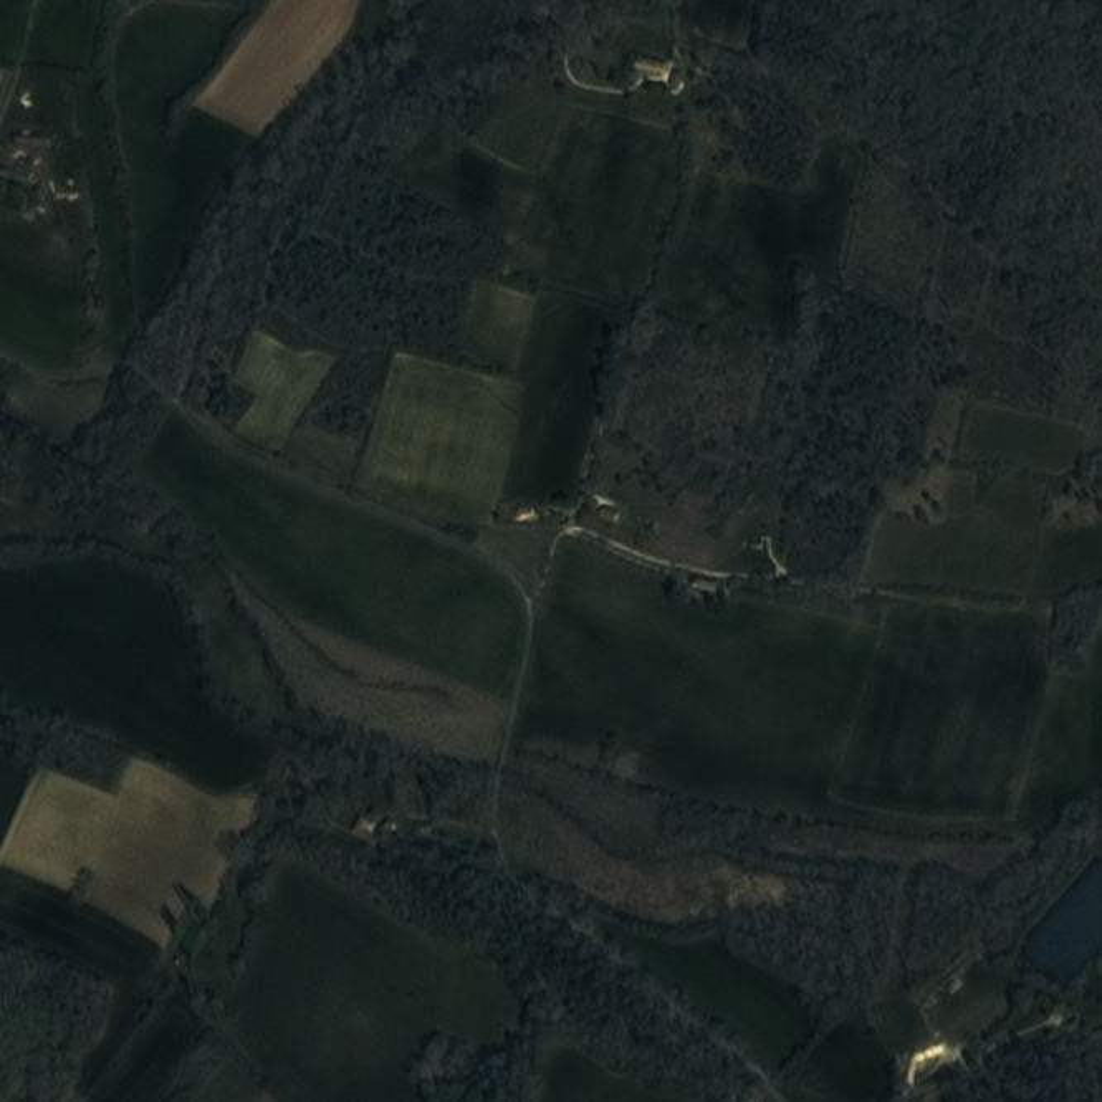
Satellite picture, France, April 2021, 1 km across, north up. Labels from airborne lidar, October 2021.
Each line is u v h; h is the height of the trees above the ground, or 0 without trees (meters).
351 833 0
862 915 33
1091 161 24
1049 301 19
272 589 0
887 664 0
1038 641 0
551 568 9
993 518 0
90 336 7
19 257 0
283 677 19
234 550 0
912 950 21
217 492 0
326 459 0
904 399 14
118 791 0
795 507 14
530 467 0
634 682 0
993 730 0
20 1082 25
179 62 0
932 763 0
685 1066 19
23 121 0
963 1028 0
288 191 10
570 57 16
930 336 14
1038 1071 21
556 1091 0
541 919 14
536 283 10
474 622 0
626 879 0
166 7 0
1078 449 0
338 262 11
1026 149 21
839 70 19
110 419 18
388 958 0
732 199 0
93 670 0
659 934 17
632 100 15
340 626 0
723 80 21
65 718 13
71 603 0
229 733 0
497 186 0
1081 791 0
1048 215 16
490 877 18
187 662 0
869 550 11
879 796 0
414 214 17
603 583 0
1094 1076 14
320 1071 0
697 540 0
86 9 0
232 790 0
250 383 0
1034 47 11
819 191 0
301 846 10
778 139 23
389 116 19
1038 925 0
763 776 0
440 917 7
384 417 0
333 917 0
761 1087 19
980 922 30
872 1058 0
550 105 0
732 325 0
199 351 13
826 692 0
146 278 0
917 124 19
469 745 0
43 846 0
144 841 0
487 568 0
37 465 0
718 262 0
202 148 0
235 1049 6
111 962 0
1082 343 21
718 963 0
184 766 0
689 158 16
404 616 0
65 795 0
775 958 28
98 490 19
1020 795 0
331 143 12
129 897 0
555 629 0
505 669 0
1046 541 0
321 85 0
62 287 0
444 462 0
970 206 21
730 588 9
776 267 0
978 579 0
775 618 0
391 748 21
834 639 0
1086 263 19
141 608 0
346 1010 0
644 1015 27
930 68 26
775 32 23
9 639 0
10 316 0
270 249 13
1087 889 0
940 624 0
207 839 0
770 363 12
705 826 20
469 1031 0
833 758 0
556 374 0
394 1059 0
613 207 0
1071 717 0
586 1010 22
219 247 21
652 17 20
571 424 0
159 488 0
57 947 0
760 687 0
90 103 0
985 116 22
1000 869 0
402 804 31
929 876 18
